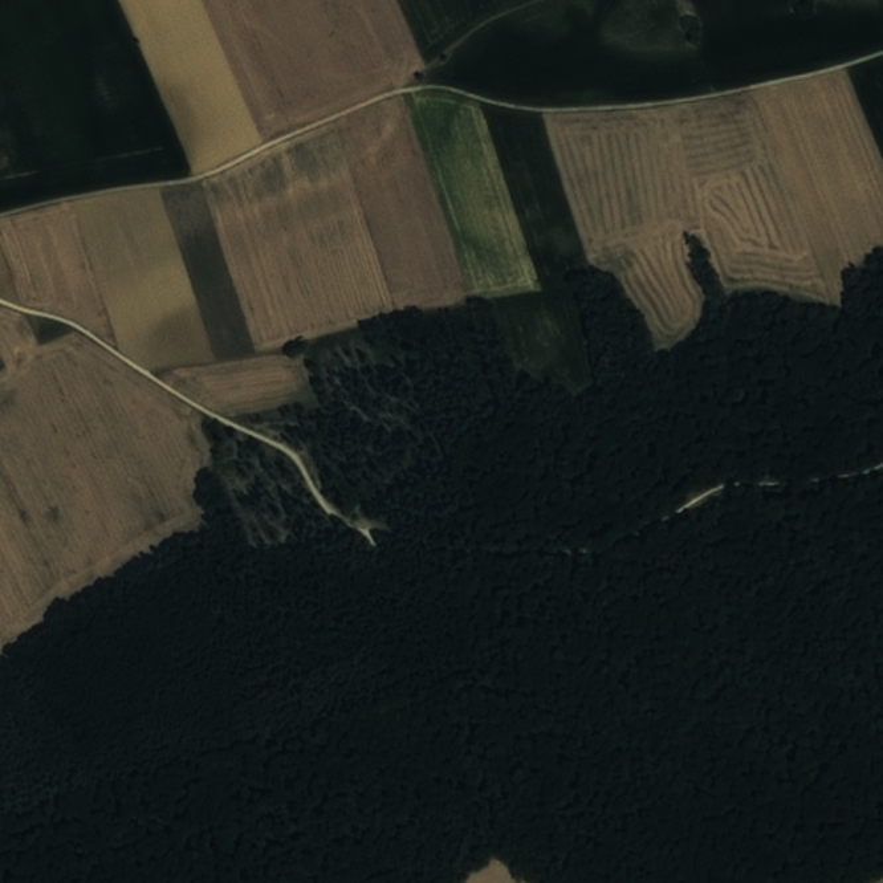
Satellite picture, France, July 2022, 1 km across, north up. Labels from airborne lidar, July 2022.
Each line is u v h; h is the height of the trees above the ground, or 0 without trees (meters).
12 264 0
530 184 0
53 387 0
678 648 27
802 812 28
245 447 9
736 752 27
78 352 0
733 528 28
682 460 27
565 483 27
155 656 14
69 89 0
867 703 25
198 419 0
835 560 25
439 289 0
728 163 0
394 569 20
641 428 26
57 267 0
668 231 0
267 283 0
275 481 17
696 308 0
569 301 0
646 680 22
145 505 0
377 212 0
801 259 0
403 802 23
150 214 0
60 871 31
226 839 28
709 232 0
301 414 21
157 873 29
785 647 17
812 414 29
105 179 0
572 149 0
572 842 21
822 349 28
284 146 0
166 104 0
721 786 31
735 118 0
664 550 28
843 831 29
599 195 0
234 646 15
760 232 0
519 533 28
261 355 0
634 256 0
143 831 29
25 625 0
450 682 22
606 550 26
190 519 0
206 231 0
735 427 25
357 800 26
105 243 0
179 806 28
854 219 0
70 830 29
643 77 0
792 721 26
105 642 16
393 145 0
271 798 28
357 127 0
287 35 0
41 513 0
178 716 17
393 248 0
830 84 0
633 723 24
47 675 17
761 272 0
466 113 0
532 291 0
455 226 0
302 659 16
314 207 0
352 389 18
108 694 16
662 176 0
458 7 0
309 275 0
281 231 0
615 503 24
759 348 24
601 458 27
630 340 29
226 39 0
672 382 26
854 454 20
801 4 15
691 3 0
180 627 13
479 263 0
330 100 0
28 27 0
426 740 25
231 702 15
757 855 30
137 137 0
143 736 19
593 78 0
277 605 11
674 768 26
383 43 0
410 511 22
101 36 0
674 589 28
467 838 23
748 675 19
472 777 28
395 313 0
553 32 0
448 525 24
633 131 0
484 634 25
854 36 0
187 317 0
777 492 7
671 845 28
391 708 25
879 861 24
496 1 0
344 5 0
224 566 18
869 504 21
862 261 0
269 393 0
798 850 28
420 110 0
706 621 24
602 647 26
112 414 0
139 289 0
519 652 27
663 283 0
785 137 0
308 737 27
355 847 26
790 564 22
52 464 0
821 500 23
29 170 0
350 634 16
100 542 0
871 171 0
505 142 0
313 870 28
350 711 23
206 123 0
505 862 23
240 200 0
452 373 32
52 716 18
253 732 21
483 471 23
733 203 0
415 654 23
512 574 24
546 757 25
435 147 0
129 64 0
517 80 0
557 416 29
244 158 0
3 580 0
